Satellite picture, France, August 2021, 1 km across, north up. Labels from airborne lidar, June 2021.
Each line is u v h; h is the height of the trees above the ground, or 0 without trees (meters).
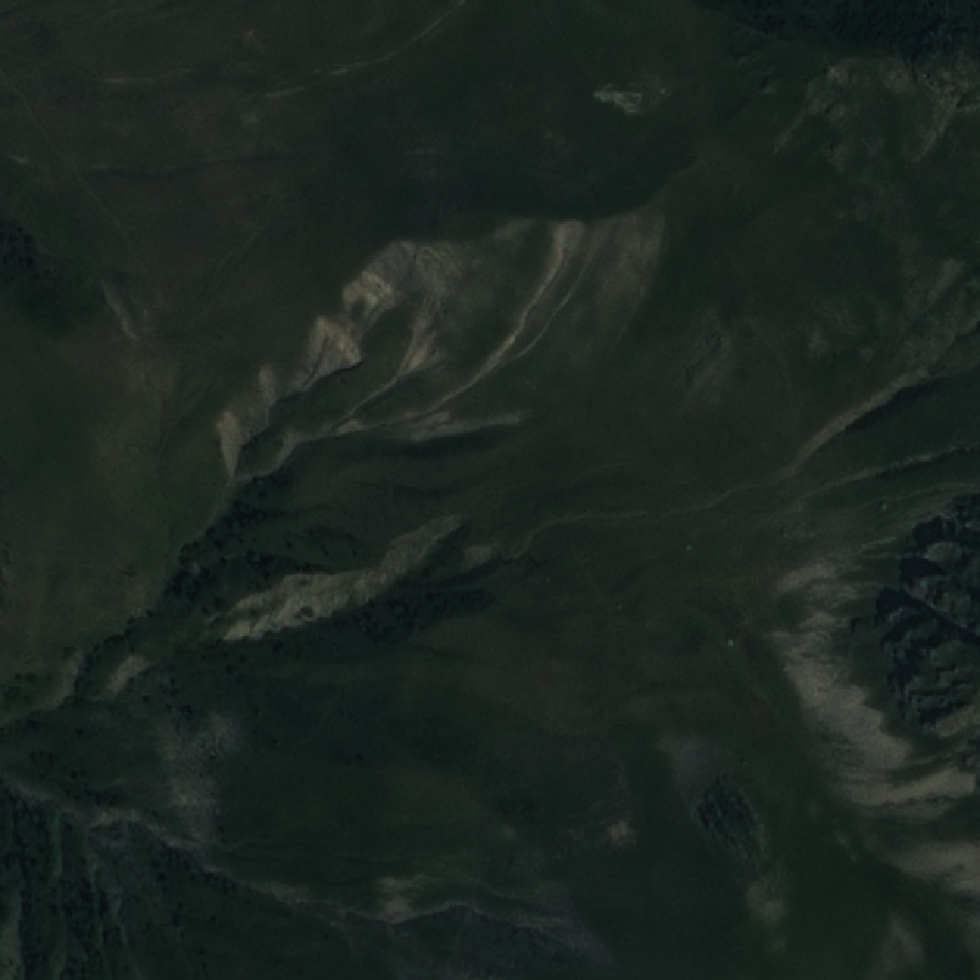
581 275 0
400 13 0
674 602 0
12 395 0
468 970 0
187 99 0
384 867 0
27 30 0
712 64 0
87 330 0
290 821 0
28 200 0
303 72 0
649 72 0
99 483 0
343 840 0
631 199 0
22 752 0
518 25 0
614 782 0
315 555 0
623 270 0
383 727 0
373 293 0
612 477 0
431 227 0
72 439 0
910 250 0
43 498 0
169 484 0
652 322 0
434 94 0
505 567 0
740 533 0
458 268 0
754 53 0
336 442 0
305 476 0
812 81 0
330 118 0
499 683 0
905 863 0
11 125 0
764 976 0
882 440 0
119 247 0
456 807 0
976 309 0
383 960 0
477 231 0
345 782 0
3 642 0
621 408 0
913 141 0
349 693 0
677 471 0
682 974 0
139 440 0
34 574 0
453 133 0
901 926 0
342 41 0
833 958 0
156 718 0
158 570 0
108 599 0
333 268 0
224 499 0
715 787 0
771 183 0
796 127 0
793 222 0
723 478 0
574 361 0
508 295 0
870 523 0
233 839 0
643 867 0
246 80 0
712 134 0
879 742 0
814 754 0
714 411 0
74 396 0
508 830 0
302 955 0
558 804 0
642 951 0
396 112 0
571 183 0
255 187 0
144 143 0
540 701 0
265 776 0
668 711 0
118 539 0
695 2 0
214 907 0
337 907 0
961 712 0
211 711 0
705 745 0
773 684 0
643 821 0
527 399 0
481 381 0
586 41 0
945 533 0
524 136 0
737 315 0
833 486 0
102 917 9
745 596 0
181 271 0
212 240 0
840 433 0
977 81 0
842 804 0
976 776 0
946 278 0
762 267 0
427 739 0
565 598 0
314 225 0
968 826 0
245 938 0
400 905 0
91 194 0
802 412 0
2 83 0
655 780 0
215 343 0
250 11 0
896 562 0
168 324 0
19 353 0
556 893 0
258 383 0
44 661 0
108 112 0
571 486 0
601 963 0
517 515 0
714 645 0
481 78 0
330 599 0
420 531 0
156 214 0
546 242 0
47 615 0
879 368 0
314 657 0
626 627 0
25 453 0
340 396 0
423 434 0
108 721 0
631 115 0
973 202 0
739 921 0
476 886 0
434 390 0
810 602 0
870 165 0
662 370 0
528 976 0
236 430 0
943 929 0
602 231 0
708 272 0
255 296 0
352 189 0
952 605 0
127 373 0
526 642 0
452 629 0
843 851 0
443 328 0
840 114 0
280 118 0
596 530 0
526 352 0
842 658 0
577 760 0
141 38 0
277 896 0
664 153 0
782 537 0
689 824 0
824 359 0
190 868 7
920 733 0
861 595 0
